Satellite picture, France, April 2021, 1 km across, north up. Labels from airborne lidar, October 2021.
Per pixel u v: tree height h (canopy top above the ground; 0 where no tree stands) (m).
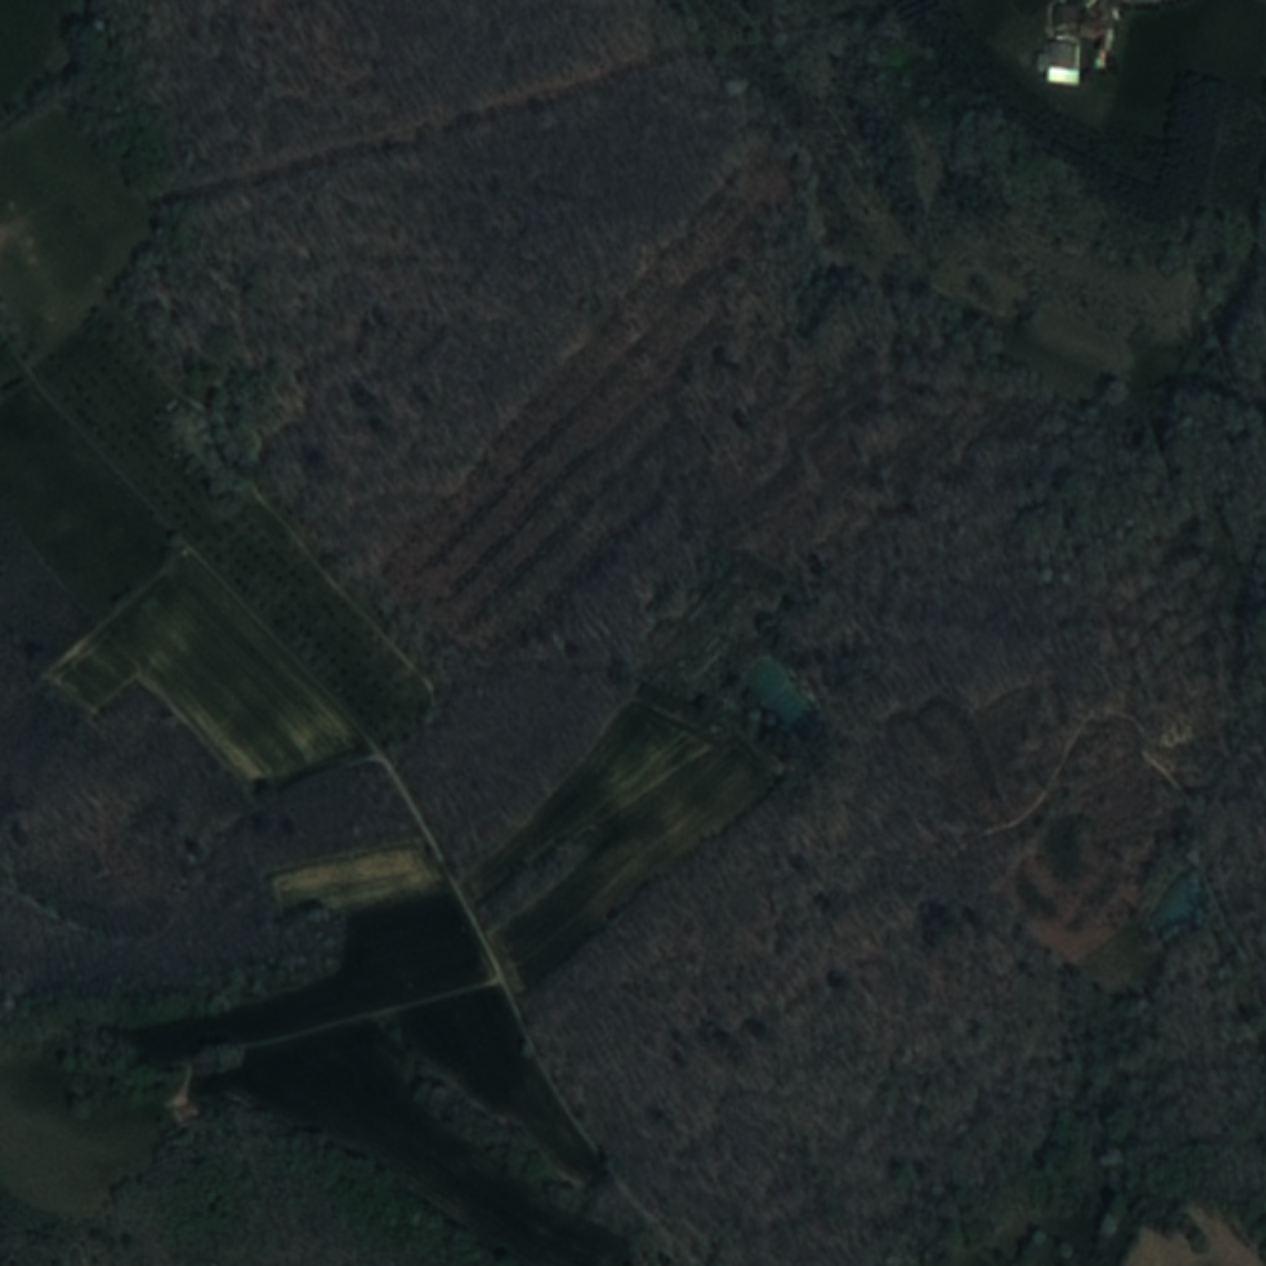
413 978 0
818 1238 16
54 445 0
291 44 14
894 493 17
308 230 20
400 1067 0
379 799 10
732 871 10
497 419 17
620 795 0
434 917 0
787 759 19
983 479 21
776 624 12
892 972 13
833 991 14
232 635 0
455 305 18
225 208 16
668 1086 17
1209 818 22
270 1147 17
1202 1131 18
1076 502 26
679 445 8
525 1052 11
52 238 0
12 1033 21
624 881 0
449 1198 0
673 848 0
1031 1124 18
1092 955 0
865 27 12
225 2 23
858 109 15
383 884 0
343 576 16
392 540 18
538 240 18
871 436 23
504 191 20
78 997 22
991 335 21
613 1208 19
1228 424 25
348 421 15
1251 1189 24
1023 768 21
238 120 11
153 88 17
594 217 19
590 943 10
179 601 0
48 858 10
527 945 0
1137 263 14
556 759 14
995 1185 22
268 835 24
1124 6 7
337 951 15
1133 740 6
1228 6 0
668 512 21
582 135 13
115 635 0
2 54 0
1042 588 17
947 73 11
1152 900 15
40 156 0
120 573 0
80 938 18
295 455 21
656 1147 14
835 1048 15
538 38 20
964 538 20
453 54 15
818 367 18
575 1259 0
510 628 6
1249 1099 23
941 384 22
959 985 15
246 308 15
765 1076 18
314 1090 0
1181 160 12
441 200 12
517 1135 16
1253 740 14
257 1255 20
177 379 10
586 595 18
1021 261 7
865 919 20
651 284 9
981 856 15
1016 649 17
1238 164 6
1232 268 20
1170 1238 10
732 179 19
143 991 21
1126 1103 6
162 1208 21
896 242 0
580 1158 0
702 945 17
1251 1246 9
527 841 0
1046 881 0
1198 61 0
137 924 13
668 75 23
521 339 14
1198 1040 17
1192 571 24
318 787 13
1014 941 10
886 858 16
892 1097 14
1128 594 21
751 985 14
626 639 18
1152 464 28
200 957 18
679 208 15
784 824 13
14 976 19
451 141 13
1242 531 23
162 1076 13
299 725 0
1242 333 29
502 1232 0
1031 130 10
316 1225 21
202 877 17
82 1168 0
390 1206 22
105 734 9
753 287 20
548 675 11
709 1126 17
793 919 9
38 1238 10
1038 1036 24
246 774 0
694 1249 15
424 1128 0
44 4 0
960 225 5
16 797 15
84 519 0
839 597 17
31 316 0
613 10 19
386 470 15
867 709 15
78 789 17
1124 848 6
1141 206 12
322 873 0
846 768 19
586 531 22
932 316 25
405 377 14
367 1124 0
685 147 15
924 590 22
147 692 10
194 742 12
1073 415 13
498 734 13
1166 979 19
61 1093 0
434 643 8
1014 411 6
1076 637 17
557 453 5
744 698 8
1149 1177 18
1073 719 19
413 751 10
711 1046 17
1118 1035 10
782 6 19
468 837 14
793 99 7
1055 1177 23
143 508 0
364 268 18
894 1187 15
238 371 11
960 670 19
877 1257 18
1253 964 16
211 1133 14
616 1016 16
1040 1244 12
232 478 13
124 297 8
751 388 21
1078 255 13
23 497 0
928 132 5
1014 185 22
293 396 21
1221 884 23
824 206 8
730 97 21
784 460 16
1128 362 0
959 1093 14
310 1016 0
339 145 11
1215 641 9
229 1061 17
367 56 9
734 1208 16
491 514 6
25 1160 0
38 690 15
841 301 27
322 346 15
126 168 11
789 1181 13
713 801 0
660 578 16
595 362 6
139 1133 0
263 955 19
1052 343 0
